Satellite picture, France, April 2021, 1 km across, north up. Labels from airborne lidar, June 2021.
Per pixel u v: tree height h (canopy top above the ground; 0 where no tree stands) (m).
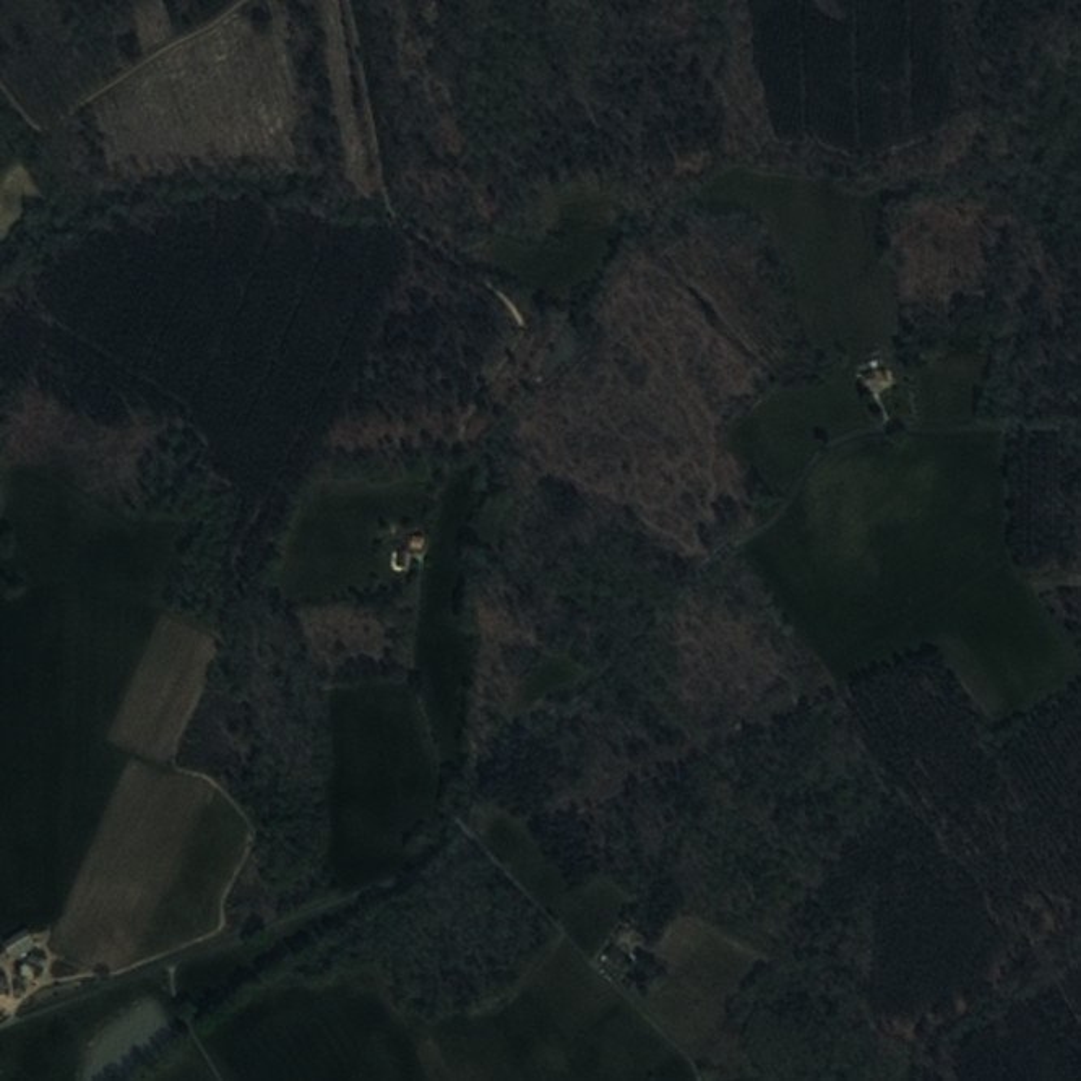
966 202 7
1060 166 15
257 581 16
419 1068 0
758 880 19
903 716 15
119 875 0
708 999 0
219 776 6
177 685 0
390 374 9
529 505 8
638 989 7
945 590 0
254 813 0
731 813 9
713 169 8
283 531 17
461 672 0
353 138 0
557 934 11
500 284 14
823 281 0
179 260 12
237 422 13
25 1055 0
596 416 0
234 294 13
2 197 0
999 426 14
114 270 11
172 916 0
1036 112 18
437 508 9
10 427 18
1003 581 0
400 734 0
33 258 23
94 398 12
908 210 20
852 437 0
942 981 14
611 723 8
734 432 0
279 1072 0
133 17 11
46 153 13
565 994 0
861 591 0
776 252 10
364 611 8
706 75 22
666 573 14
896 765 15
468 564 17
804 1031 19
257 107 0
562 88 11
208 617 14
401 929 20
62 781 0
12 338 12
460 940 16
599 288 12
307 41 8
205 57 0
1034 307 14
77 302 10
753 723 0
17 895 0
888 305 0
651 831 9
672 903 15
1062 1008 18
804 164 12
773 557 0
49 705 0
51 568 0
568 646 16
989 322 13
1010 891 17
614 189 15
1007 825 13
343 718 0
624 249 15
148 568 0
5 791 0
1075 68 13
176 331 14
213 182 18
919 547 0
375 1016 0
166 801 0
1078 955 17
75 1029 0
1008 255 17
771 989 17
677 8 7
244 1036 0
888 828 11
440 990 15
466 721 11
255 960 0
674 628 15
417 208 15
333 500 0
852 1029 19
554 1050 0
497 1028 0
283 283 13
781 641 15
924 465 0
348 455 14
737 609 12
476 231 21
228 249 11
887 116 9
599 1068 0
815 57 11
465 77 11
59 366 11
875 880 15
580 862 20
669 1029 0
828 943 10
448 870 15
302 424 15
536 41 18
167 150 0
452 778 18
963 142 15
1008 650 0
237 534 12
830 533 0
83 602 0
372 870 0
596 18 10
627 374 9
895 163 7
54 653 0
